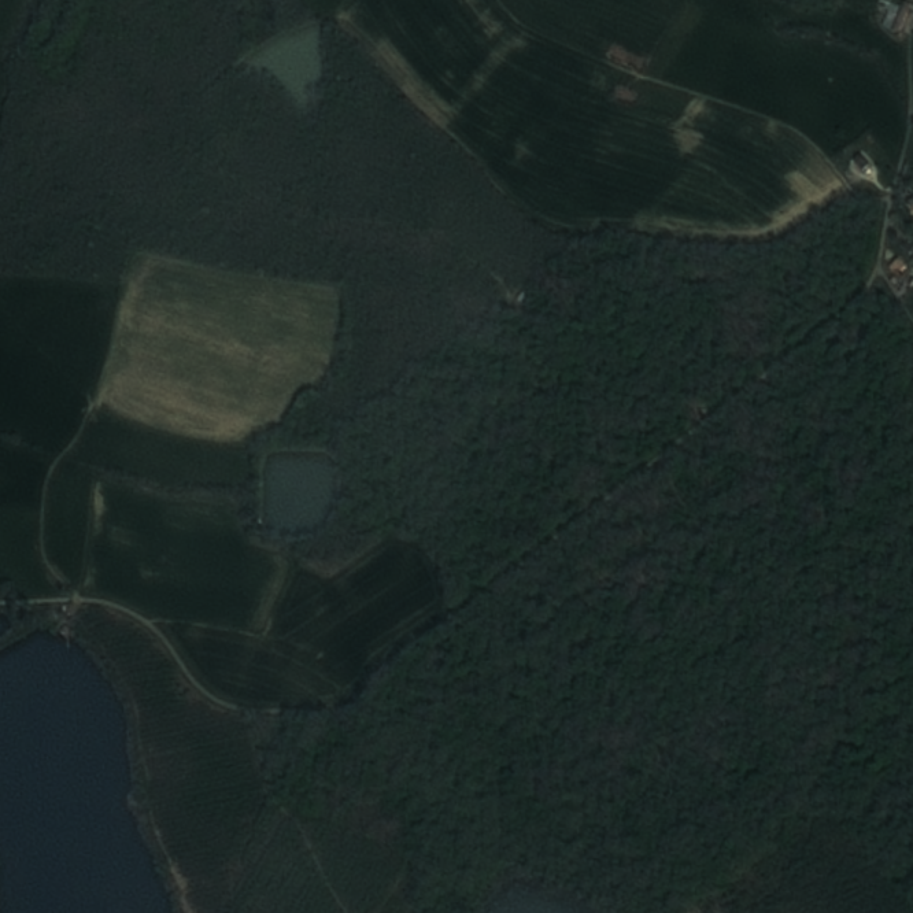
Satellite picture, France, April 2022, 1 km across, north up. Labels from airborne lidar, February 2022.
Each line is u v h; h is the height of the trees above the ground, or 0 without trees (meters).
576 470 28
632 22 0
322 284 14
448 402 23
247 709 0
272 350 0
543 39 0
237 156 12
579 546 25
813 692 25
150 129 11
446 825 22
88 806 0
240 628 0
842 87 0
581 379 14
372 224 14
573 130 0
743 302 27
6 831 0
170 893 9
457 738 24
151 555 0
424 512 26
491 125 0
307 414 15
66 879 0
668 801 22
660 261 27
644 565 28
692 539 25
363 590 0
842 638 23
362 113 16
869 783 25
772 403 26
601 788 25
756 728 26
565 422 17
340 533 14
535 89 0
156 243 15
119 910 0
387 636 0
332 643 0
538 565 27
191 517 0
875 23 0
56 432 0
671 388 28
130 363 0
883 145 0
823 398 26
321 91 16
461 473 26
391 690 19
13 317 0
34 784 0
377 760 26
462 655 29
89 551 0
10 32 0
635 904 26
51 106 12
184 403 0
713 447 25
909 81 0
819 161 0
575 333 24
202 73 11
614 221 0
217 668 0
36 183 10
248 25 17
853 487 27
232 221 16
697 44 0
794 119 0
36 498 0
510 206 12
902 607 28
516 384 23
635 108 0
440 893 24
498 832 28
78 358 0
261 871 11
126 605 0
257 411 0
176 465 0
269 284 0
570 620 20
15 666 0
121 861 0
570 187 0
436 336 10
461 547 29
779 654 24
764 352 27
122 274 16
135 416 0
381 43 0
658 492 25
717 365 19
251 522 21
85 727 0
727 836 25
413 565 0
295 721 26
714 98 0
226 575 0
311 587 0
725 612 24
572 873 18
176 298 0
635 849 26
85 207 12
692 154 0
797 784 26
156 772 0
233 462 0
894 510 23
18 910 0
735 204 0
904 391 21
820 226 23
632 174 0
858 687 26
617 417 27
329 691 0
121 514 0
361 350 15
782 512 27
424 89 0
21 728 0
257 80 16
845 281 25
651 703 29
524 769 25
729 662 25
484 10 0
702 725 29
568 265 24
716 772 28
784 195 0
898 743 26
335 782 25
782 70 0
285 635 0
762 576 25
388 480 32
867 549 24
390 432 29
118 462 0
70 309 0
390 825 20
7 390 0
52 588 0
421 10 0
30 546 0
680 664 24
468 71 0
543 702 25
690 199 0
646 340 27
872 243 16
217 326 0
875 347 23
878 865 23
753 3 0
